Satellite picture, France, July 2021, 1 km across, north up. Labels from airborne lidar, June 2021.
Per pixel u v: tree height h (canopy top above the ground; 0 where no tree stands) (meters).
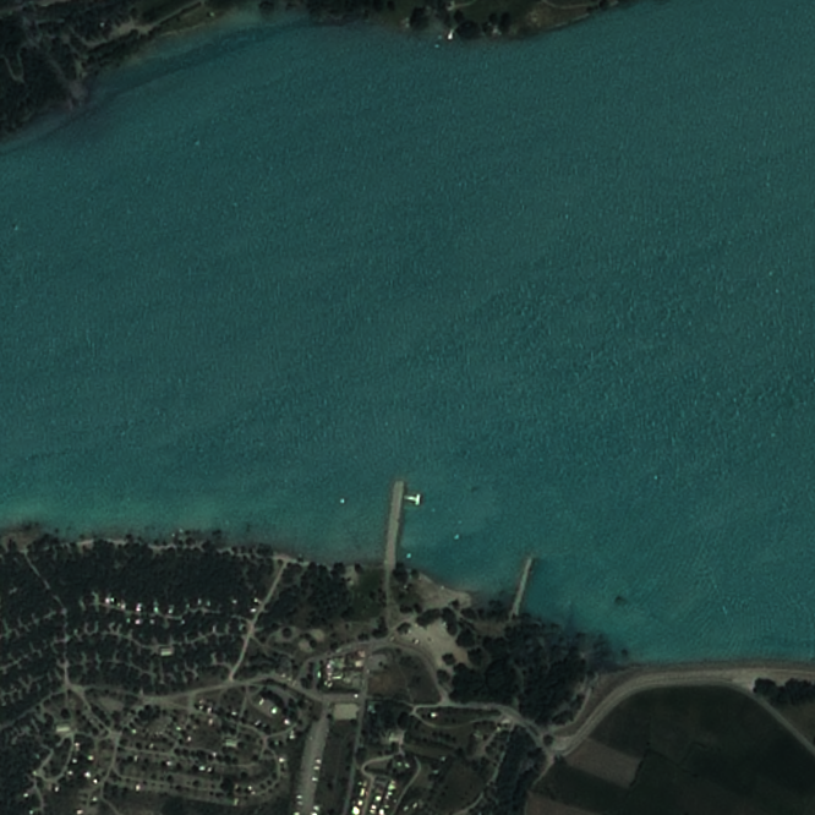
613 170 0
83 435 0
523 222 0
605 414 0
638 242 0
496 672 18
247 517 0
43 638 5
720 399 0
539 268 0
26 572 6
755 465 0
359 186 0
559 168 0
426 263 0
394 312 0
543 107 0
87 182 0
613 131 0
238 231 0
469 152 0
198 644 6
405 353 0
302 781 0
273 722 0
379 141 0
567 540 0
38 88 15
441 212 0
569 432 0
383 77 0
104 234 0
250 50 0
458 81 0
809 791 0
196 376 0
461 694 15
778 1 0
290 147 0
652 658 0
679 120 0
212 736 0
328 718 6
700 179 0
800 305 0
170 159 0
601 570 0
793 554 0
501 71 0
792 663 0
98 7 9
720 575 0
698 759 0
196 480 0
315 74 0
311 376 0
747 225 0
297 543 0
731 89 0
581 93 0
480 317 0
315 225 0
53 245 0
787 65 0
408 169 0
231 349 0
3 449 0
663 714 0
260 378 0
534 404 0
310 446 0
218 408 0
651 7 0
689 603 0
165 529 0
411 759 8
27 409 0
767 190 0
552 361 0
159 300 0
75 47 11
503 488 0
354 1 13
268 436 0
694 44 0
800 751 0
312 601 7
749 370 0
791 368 0
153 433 0
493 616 10
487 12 0
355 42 0
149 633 6
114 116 0
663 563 0
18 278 0
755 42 0
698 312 0
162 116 0
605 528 0
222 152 0
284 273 0
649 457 0
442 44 0
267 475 0
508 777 9
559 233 0
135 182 0
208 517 0
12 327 0
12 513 0
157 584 6
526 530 0
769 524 0
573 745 0
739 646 0
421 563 0
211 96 0
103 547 7
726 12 0
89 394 0
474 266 0
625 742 0
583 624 0
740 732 0
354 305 0
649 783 0
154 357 0
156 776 7
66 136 0
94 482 0
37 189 0
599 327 0
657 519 0
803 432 0
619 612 0
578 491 0
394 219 0
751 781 0
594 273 0
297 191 0
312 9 10
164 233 0
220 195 0
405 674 0
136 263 0
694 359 0
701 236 0
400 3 0
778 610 0
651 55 0
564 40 0
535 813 0
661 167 0
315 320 0
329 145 0
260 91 0
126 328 0
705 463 0
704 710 0
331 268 0
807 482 0
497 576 0
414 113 0
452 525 0
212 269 0
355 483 0
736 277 0
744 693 0
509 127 0
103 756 0
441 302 0
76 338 0
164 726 0
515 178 0
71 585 6
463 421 0
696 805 0
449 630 10
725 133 0
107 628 6
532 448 0
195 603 7
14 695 6
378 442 0
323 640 0
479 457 0
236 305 0
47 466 0
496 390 0
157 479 0
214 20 0
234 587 5
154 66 0
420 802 0
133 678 6
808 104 0
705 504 0
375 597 12
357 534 0
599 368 0
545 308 0
